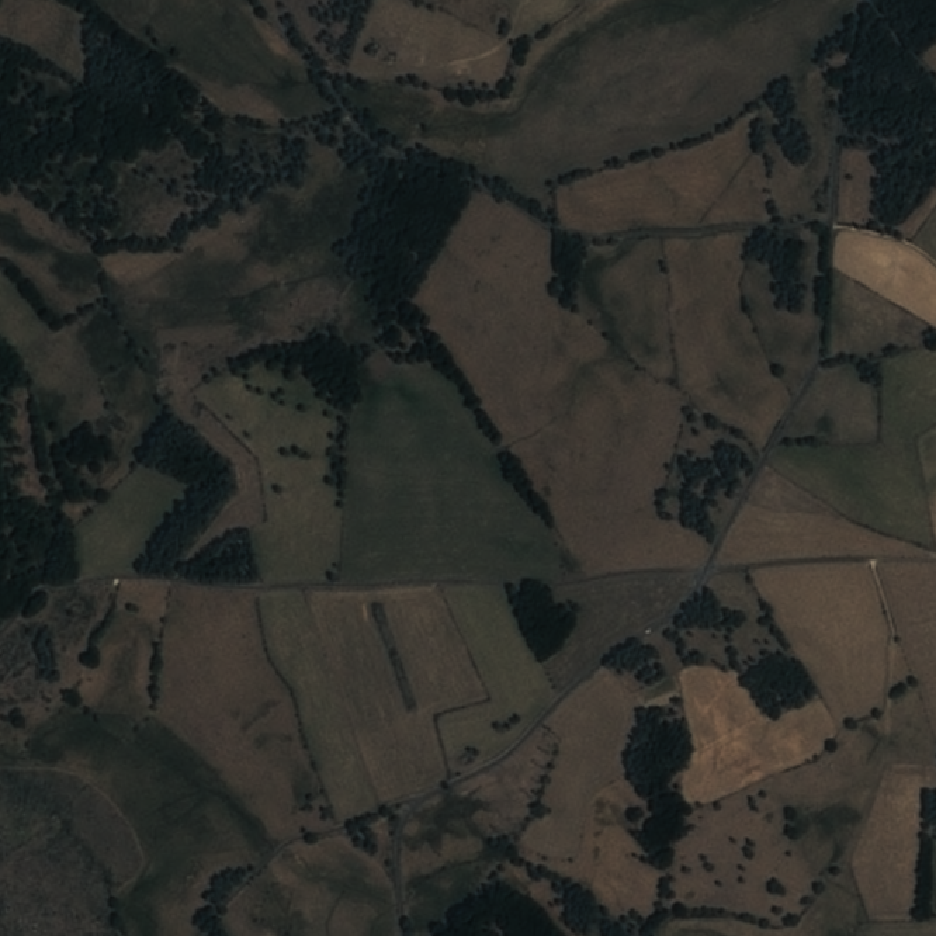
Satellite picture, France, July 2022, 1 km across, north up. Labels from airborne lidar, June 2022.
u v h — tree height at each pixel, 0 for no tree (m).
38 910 0
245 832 0
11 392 16
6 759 0
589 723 0
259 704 0
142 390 0
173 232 10
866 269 0
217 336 0
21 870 0
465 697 0
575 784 0
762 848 0
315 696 0
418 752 0
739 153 0
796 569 0
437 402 0
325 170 0
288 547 0
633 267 0
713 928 0
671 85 0
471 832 0
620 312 0
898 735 0
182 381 0
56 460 11
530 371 0
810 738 0
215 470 9
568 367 0
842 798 0
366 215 16
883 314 0
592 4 0
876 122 16
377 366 0
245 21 0
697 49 0
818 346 0
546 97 0
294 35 16
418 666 0
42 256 0
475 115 0
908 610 0
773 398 0
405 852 0
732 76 0
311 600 0
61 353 0
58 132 13
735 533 0
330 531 0
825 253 14
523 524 0
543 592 16
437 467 0
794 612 0
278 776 0
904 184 19
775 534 0
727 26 0
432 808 0
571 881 9
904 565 0
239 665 0
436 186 17
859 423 0
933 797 13
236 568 16
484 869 0
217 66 0
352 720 0
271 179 16
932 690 0
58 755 0
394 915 0
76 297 0
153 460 22
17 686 0
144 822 0
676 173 0
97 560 0
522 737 0
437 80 0
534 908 23
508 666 0
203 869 0
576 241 9
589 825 0
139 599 0
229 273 0
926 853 9
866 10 18
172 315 0
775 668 14
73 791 0
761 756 0
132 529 0
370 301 14
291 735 0
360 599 0
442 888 0
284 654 0
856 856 0
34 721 0
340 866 0
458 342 0
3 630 0
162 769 0
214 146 9
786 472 0
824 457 0
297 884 0
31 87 9
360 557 0
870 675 0
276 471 0
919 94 14
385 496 0
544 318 0
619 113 0
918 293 0
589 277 0
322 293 0
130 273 0
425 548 0
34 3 0
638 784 12
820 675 0
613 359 0
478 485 0
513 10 0
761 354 0
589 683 0
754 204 0
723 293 0
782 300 12
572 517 0
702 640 0
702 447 0
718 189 0
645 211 0
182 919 0
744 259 9
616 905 0
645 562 0
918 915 15
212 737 0
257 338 0
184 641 0
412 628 0
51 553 12
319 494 0
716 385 0
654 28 0
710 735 0
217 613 0
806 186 0
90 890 0
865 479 0
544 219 7
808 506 0
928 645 0
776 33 0
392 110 0
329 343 15
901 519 0
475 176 18
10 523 16
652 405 0
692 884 0
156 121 13
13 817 0
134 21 0
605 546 0
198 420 0
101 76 21
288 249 0
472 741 0
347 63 6
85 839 0
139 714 0
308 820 0
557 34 0
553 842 0
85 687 0
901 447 0
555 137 0
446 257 0
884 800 0
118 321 8
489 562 0
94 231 10
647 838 15
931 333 11
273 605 0
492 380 0
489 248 0
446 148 0
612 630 0
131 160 14
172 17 0
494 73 0
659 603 0
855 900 0
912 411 0
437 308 0
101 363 0
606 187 0
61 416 0
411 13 0
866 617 0
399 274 15
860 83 16
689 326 0
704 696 0
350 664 0
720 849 0
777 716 13
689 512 19
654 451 0
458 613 0
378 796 0
